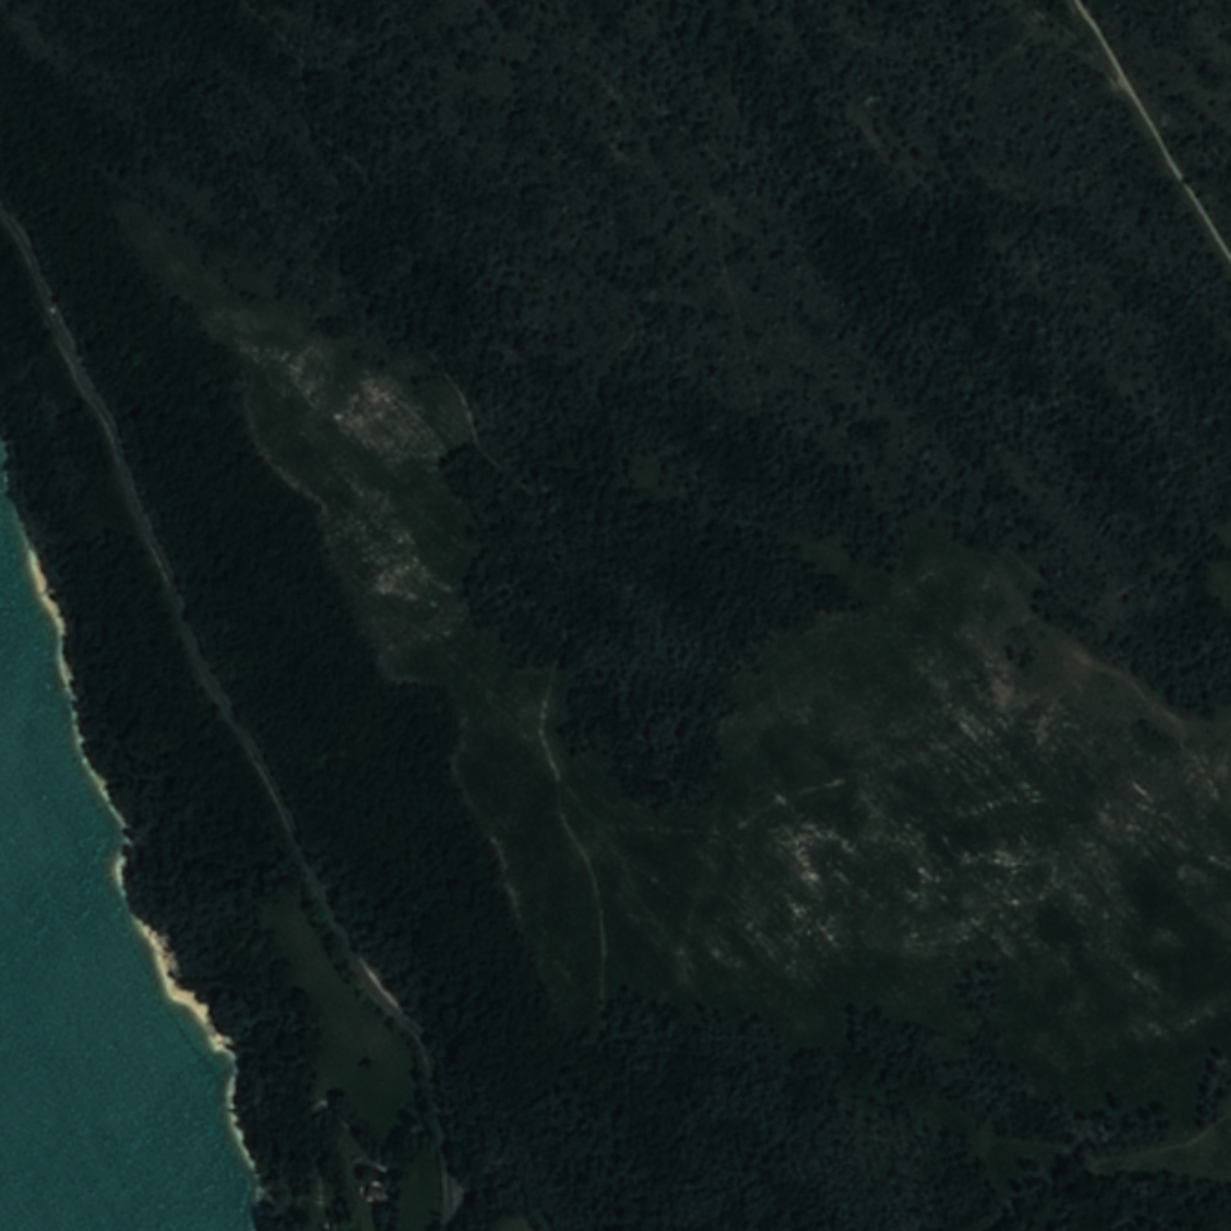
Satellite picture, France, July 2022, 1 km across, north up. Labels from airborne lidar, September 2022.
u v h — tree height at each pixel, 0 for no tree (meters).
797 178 9
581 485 15
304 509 9
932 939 0
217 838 18
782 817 0
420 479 0
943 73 10
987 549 7
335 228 14
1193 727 0
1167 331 9
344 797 13
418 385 12
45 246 12
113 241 10
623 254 8
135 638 12
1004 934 0
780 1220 13
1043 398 11
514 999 15
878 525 14
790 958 0
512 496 7
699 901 0
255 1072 19
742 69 6
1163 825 0
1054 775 0
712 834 0
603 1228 12
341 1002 0
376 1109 0
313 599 12
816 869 0
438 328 17
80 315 11
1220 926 0
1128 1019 0
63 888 0
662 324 6
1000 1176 0
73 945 0
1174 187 8
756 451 8
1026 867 0
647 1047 17
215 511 12
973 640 0
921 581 0
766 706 0
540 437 18
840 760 0
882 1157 17
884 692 0
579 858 0
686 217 7
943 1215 12
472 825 10
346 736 10
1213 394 11
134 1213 0
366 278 15
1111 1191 25
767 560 8
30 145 14
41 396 8
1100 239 10
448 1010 18
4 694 0
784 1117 15
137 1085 0
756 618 19
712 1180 17
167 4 8
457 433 0
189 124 13
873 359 9
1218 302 6
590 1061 15
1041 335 8
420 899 16
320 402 0
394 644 0
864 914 0
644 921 0
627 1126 20
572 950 0
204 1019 0
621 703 16
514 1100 21
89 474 10
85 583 14
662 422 12
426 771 12
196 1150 0
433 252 10
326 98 10
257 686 12
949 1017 0
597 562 11
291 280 6
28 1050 0
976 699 0
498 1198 22
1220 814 0
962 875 0
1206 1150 0
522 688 0
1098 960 0
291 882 17
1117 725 0
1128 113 9
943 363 15
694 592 13
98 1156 0
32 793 0
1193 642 13
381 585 0
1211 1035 0
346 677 14
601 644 12
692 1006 0
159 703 13
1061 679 0
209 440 13
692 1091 14
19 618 0
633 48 9
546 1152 19
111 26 13
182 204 7
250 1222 0
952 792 0
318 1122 16
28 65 12
